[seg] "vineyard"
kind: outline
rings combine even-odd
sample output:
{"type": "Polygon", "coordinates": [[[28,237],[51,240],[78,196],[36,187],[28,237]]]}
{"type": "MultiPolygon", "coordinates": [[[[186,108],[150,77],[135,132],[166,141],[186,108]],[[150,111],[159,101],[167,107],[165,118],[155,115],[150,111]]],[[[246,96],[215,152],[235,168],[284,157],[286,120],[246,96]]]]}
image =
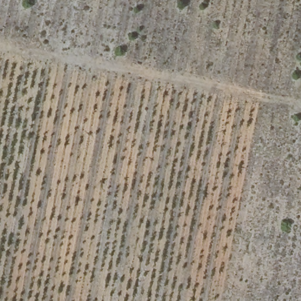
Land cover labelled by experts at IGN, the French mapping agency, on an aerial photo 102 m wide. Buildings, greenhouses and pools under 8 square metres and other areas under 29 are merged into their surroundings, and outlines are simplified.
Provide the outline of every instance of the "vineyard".
{"type": "Polygon", "coordinates": [[[202,76],[189,74],[190,66],[186,67],[185,75],[180,75],[179,72],[169,73],[167,69],[160,72],[158,69],[146,68],[134,63],[133,59],[128,59],[125,54],[115,55],[116,46],[113,42],[108,45],[109,52],[98,46],[99,53],[102,53],[100,58],[89,54],[89,46],[62,51],[62,44],[54,49],[49,42],[44,44],[44,41],[35,42],[26,38],[7,38],[0,44],[0,301],[301,301],[301,100],[240,87],[236,83],[223,81],[220,76],[210,80],[203,79],[202,76]]]}

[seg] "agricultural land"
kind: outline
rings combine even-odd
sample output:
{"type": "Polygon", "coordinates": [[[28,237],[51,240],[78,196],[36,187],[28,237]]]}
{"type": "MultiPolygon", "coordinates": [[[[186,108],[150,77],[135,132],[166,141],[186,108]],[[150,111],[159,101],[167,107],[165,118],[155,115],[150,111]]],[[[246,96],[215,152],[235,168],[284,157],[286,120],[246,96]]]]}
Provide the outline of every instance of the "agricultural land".
{"type": "Polygon", "coordinates": [[[134,63],[146,68],[158,69],[160,72],[167,69],[169,73],[179,72],[180,75],[185,75],[186,67],[190,66],[189,74],[202,76],[203,79],[210,80],[220,76],[223,81],[236,83],[240,87],[301,100],[301,0],[0,0],[0,44],[7,38],[26,38],[35,42],[44,41],[44,44],[49,42],[54,49],[62,44],[62,51],[89,46],[89,54],[100,58],[102,53],[99,53],[98,46],[109,52],[108,45],[113,42],[116,46],[115,55],[125,54],[128,59],[133,59],[134,63]]]}

